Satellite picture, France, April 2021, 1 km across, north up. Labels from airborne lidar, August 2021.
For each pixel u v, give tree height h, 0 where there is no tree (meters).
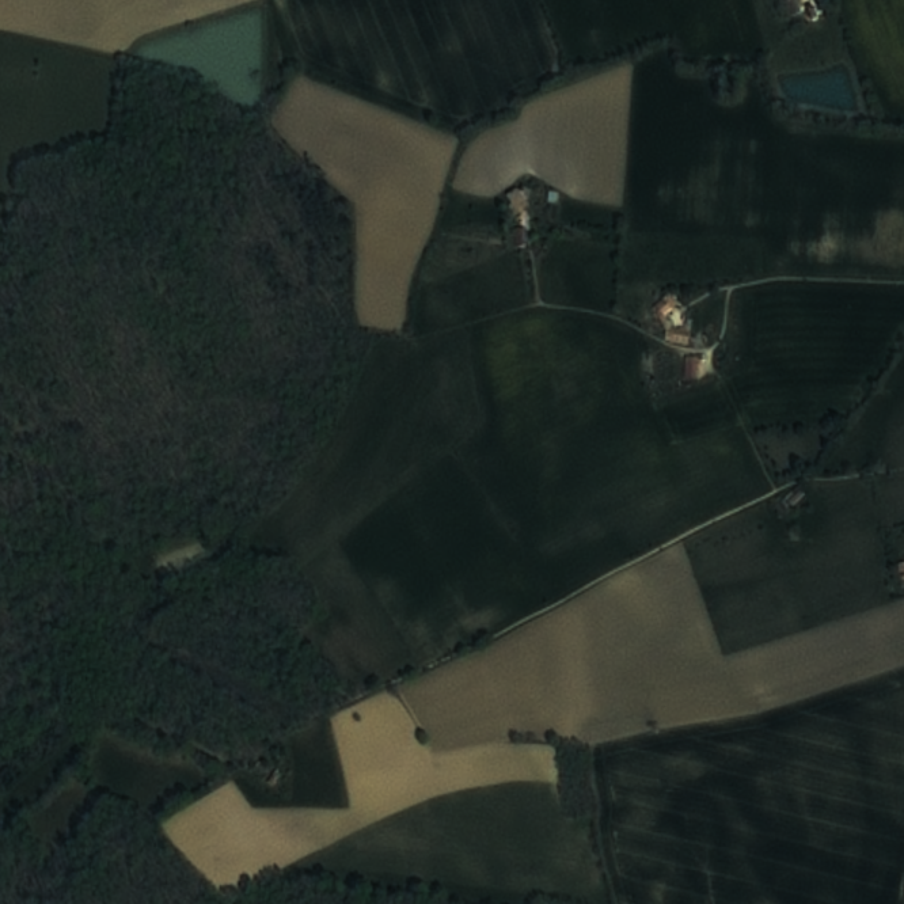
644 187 0
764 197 0
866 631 0
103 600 26
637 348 0
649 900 0
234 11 0
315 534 0
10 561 22
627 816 0
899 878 0
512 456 0
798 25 12
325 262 19
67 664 27
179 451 20
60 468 18
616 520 0
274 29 0
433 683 0
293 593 16
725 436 0
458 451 0
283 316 15
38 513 23
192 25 7
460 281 0
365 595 0
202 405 15
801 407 0
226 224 18
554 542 0
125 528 22
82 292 19
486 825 0
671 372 0
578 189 0
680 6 0
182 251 18
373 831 0
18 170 19
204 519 21
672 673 0
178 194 23
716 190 0
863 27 0
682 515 0
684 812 0
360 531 0
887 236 0
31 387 15
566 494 0
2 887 26
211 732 21
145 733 21
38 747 17
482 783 0
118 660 26
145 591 18
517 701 0
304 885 25
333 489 0
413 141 0
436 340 0
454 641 0
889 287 0
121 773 0
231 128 23
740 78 18
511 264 0
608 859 0
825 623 0
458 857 0
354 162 0
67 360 16
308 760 0
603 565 0
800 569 0
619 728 0
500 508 0
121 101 13
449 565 0
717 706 0
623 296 0
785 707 0
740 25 0
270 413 14
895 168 0
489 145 0
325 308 15
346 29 0
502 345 0
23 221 20
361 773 0
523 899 0
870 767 0
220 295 17
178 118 23
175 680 18
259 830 0
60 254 23
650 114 0
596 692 0
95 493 18
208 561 11
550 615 0
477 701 0
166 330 21
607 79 0
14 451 20
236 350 16
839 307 0
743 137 0
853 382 0
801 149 0
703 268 0
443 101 0
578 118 0
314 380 19
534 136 0
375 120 0
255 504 11
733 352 0
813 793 0
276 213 20
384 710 0
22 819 24
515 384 0
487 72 0
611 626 0
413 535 0
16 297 20
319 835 0
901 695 0
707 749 0
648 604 0
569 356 0
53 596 20
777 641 0
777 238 0
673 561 0
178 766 0
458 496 0
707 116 0
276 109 18
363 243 0
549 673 0
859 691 0
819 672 0
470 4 0
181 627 17
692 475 0
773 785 0
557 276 0
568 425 0
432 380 0
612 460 0
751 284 0
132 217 21
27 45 0
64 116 0
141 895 15
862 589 0
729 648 0
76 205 22
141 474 18
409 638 0
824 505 0
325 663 17
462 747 0
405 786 0
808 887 0
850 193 0
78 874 19
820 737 0
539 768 0
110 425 16
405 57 0
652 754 0
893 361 11
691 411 0
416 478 0
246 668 20
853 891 0
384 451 0
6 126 0
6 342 16
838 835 0
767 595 0
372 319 0
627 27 0
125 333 14
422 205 0
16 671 20
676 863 0
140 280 18
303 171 19
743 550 0
